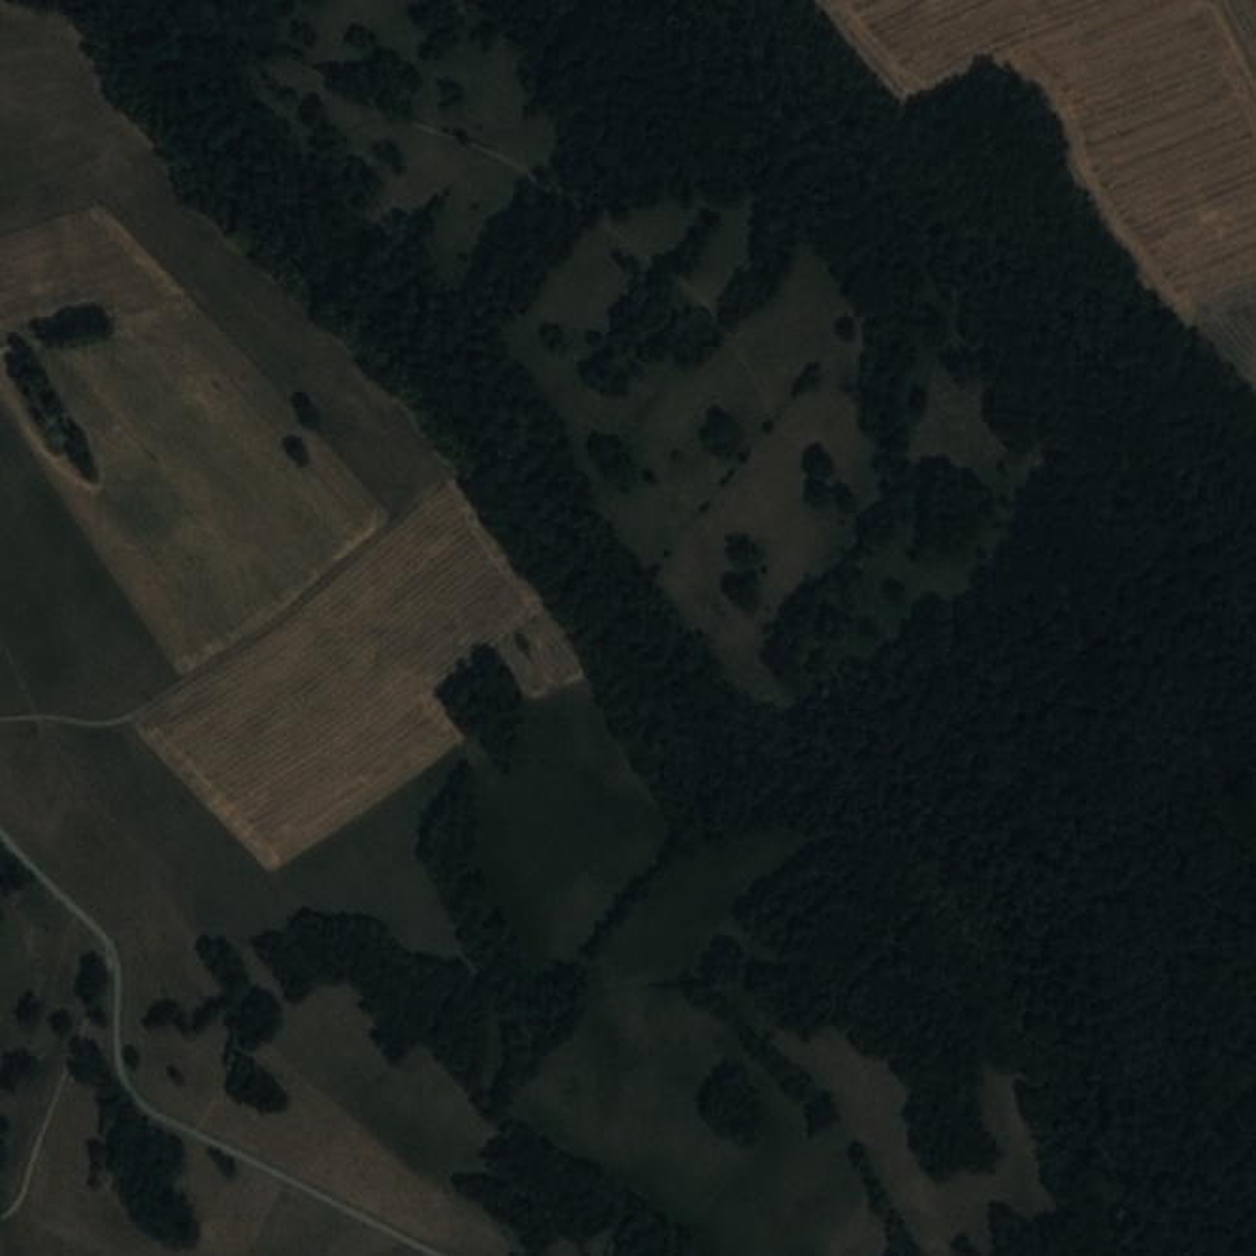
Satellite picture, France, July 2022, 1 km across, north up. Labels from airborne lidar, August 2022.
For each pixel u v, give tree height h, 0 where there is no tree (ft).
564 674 0
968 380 41
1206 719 89
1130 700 58
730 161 80
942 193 50
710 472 0
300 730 0
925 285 65
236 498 0
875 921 61
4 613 0
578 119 86
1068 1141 84
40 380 31
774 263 73
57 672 0
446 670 0
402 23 0
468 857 52
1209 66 0
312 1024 0
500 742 61
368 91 24
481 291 81
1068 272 70
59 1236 0
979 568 0
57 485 0
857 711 92
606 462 73
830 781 84
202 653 0
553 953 0
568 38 83
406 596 0
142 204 0
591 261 0
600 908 0
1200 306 0
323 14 0
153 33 93
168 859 0
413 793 0
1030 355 82
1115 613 71
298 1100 0
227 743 0
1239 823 0
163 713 0
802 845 0
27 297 0
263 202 111
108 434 0
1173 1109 62
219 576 0
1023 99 85
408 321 35
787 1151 0
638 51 84
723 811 96
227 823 0
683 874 0
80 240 0
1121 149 0
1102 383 80
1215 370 71
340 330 41
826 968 58
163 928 0
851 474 0
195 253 0
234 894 0
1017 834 110
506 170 0
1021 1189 0
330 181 80
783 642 73
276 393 0
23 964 0
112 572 0
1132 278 56
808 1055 0
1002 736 93
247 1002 57
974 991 70
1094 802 76
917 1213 0
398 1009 52
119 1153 62
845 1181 0
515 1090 51
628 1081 0
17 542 0
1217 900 48
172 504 0
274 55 56
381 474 0
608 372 74
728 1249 0
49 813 0
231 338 0
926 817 103
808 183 45
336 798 0
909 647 47
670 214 0
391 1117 0
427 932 0
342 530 0
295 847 0
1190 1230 109
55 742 0
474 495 57
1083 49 0
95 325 75
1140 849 100
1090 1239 73
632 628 104
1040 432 63
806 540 0
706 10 104
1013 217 59
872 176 84
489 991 49
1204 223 0
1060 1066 84
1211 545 92
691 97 92
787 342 0
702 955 0
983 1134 70
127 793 0
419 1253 0
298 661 0
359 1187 0
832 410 0
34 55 0
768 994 66
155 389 0
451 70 0
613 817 0
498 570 0
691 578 0
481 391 91
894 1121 0
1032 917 72
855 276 79
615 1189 57
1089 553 87
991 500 61
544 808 0
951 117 72
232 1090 35
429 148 0
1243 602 92
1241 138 0
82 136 0
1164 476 77
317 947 32
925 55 0
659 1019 0
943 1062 66
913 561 39
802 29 48
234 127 105
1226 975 71
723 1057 0
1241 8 0
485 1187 48
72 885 0
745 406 0
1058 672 79
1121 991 74
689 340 39
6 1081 54
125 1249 0
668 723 97
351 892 0
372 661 0
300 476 0
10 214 0
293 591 0
